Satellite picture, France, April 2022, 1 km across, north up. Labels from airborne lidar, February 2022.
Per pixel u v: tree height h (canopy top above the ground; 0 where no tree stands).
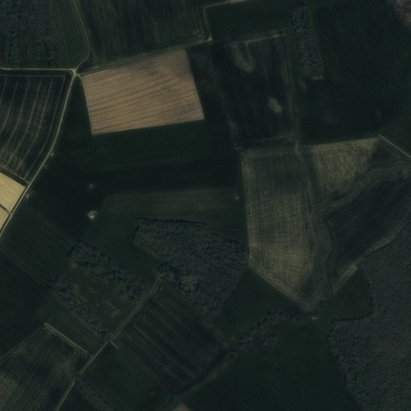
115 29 0
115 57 0
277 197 0
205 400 0
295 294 0
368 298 0
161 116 0
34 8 19
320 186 0
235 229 0
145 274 0
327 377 0
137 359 0
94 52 0
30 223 0
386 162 0
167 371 0
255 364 0
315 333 0
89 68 0
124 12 0
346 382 12
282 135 0
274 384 0
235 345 0
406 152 0
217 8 0
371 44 0
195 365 0
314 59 24
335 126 0
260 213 0
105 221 0
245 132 0
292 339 0
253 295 0
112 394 0
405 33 0
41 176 0
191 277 25
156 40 0
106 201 0
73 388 0
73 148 0
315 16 0
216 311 19
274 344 16
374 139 0
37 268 0
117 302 0
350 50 0
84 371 0
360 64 0
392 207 0
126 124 0
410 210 0
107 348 0
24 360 0
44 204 0
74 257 21
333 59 0
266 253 0
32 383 0
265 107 0
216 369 0
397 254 0
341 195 0
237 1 0
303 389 0
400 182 0
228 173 0
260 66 0
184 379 0
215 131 0
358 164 0
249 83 0
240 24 0
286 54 0
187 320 0
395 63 0
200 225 13
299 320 8
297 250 0
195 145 0
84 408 0
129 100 0
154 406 0
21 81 0
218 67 0
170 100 0
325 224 0
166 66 0
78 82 0
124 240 0
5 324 0
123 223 0
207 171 0
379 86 0
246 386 0
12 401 0
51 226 0
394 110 0
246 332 0
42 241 0
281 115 0
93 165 0
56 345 0
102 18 0
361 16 0
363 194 0
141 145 0
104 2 0
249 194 0
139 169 0
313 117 0
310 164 0
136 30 0
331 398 0
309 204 0
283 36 0
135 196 0
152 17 0
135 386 0
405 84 0
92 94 0
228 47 0
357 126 0
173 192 0
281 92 0
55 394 0
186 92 0
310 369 0
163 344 0
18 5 17
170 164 0
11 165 0
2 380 0
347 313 0
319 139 0
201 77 0
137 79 0
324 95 0
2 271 0
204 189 0
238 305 0
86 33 0
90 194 0
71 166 0
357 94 0
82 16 0
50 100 0
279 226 0
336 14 0
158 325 0
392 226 0
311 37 24
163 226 20
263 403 0
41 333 0
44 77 0
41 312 0
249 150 0
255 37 0
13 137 0
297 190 0
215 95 0
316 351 0
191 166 0
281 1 0
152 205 0
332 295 0
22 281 0
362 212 0
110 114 0
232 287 21
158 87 0
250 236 0
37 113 0
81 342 0
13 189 0
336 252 0
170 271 22
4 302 0
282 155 0
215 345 0
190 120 0
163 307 0
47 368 0
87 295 0
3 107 0
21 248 0
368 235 0
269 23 0
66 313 0
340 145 0
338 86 0
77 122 0
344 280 0
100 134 0
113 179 0
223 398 0
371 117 0
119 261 0
